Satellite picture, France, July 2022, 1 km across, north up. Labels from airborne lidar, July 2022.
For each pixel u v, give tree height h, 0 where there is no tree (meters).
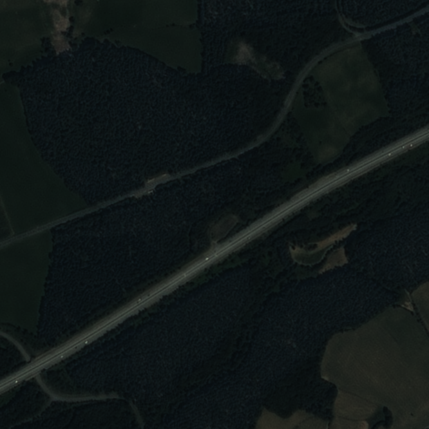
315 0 16
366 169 0
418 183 16
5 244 0
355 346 0
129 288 25
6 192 0
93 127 21
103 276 24
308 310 22
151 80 19
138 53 24
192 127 25
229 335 25
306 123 0
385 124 11
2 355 12
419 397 0
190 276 0
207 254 0
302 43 18
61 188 0
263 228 0
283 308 20
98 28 0
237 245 0
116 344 25
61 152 18
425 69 16
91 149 16
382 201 17
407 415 0
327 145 0
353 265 15
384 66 13
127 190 22
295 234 23
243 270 24
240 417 24
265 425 0
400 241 18
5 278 0
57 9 0
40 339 11
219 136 25
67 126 17
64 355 0
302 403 28
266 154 14
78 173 23
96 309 16
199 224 13
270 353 26
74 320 17
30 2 0
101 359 25
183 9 0
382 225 23
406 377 0
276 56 20
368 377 0
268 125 16
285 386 24
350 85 0
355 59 0
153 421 22
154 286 0
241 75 30
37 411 18
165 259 22
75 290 25
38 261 0
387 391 0
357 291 26
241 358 17
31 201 0
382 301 25
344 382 0
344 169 0
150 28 0
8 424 19
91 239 23
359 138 11
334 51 0
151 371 25
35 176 0
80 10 0
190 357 20
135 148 17
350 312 23
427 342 0
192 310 25
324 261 9
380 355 0
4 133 0
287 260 27
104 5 0
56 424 20
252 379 23
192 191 21
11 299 0
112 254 24
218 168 23
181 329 21
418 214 20
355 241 20
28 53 0
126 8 0
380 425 7
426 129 0
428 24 17
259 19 32
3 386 0
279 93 24
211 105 25
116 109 17
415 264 24
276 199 12
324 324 19
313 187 0
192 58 0
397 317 0
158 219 24
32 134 17
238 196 20
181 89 20
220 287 22
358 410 0
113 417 18
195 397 20
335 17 18
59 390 0
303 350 24
